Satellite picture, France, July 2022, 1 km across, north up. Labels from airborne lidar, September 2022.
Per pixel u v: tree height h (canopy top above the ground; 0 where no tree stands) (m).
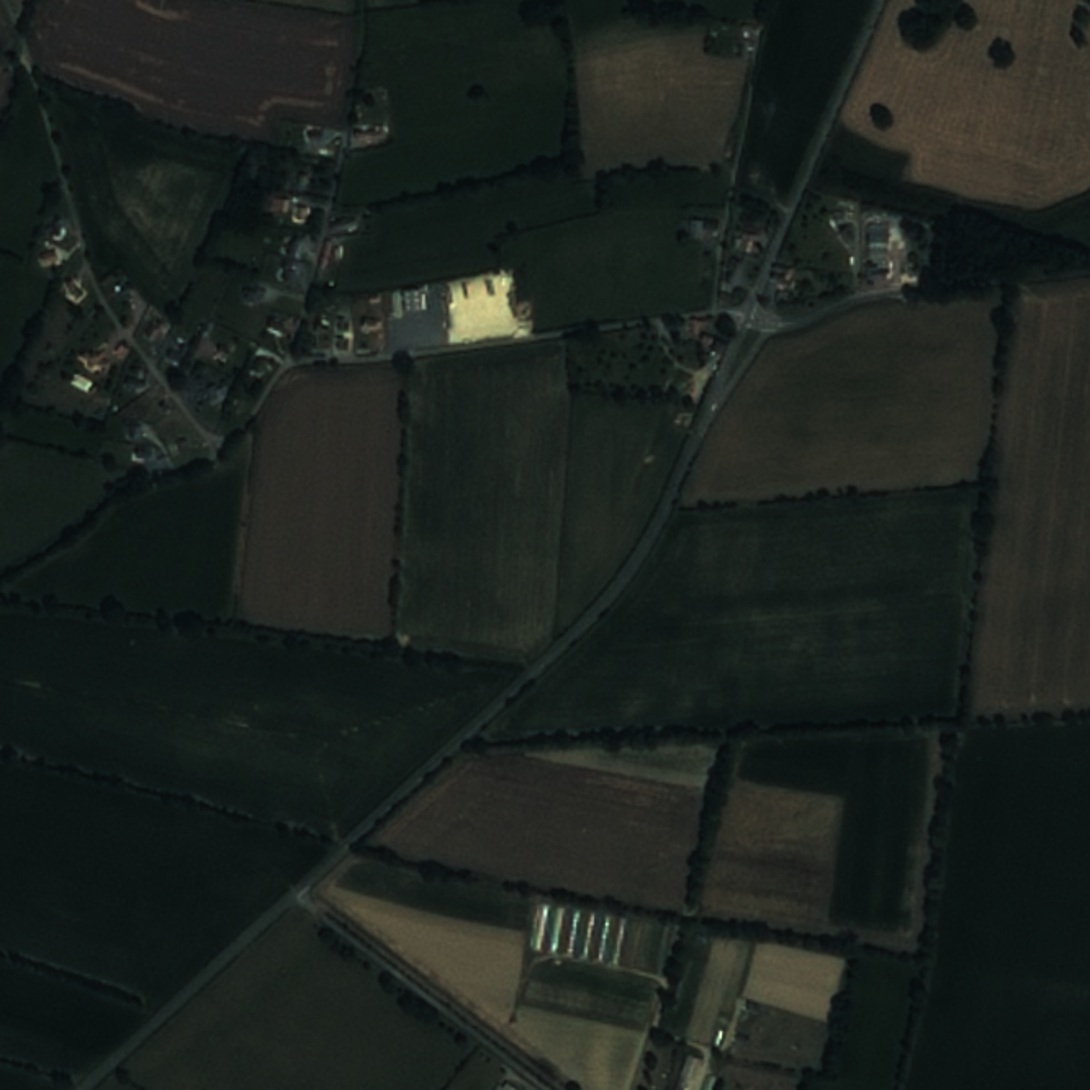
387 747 0
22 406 16
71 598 0
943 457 0
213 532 0
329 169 17
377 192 0
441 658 14
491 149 0
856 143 0
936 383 0
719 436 0
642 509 0
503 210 0
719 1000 0
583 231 0
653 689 0
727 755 14
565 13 10
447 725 0
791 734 11
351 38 0
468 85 0
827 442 0
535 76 0
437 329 0
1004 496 0
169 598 0
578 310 0
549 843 0
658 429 0
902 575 0
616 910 12
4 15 0
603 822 0
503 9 0
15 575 13
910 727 17
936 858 13
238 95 0
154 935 0
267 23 0
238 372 8
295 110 0
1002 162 0
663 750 0
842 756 0
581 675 0
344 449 0
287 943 0
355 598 0
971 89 0
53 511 0
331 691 0
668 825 0
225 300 0
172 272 0
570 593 0
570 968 0
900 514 0
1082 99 0
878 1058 0
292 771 0
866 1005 0
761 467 0
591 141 0
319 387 0
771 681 0
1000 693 0
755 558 0
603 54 0
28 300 0
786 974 0
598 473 0
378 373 0
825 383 0
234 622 6
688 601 0
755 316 0
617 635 0
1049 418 0
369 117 0
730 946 0
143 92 0
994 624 0
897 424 0
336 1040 0
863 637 0
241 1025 0
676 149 0
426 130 0
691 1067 0
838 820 0
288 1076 0
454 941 0
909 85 0
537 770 0
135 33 0
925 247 14
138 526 0
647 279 0
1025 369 0
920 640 0
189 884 0
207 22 0
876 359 0
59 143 9
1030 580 0
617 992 0
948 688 0
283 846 0
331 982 0
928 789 0
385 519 0
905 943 0
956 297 17
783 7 0
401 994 8
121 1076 13
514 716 0
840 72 0
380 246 0
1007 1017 0
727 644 0
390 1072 0
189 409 0
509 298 0
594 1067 0
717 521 0
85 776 9
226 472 0
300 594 0
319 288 10
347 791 0
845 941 19
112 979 0
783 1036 0
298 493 0
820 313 0
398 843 0
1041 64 0
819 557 0
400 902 0
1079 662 0
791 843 0
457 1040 11
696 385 0
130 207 0
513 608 0
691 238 8
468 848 0
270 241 0
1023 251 26
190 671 0
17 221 0
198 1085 0
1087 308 0
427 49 0
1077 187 0
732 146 0
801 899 0
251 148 15
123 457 0
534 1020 0
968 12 18
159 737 0
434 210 0
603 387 11
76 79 0
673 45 0
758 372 0
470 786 0
